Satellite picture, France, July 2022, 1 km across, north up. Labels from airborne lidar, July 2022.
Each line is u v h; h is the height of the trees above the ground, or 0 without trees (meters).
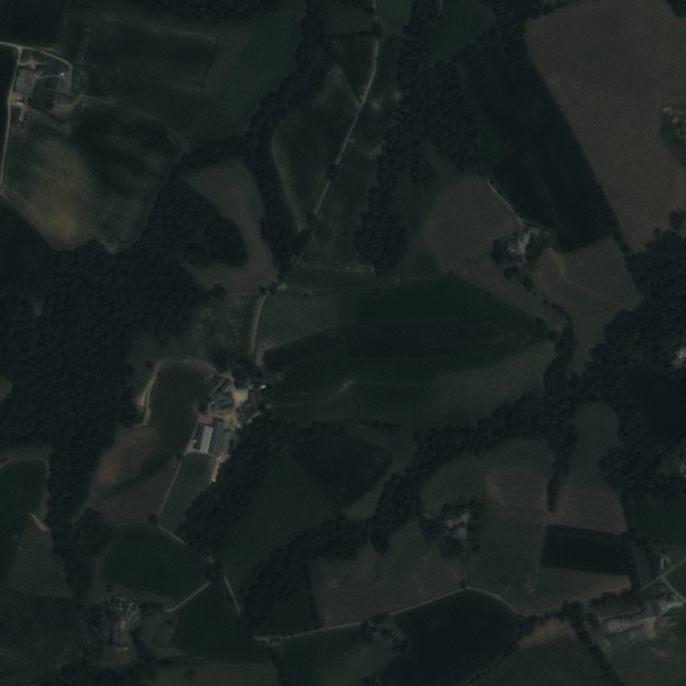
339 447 0
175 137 0
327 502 0
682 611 0
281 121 8
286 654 0
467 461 0
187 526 16
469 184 0
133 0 15
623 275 0
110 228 0
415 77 21
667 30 0
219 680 0
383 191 16
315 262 0
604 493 0
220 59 0
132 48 0
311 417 0
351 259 0
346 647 0
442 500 0
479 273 0
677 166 0
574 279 0
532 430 9
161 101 0
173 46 0
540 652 0
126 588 0
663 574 0
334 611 0
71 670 21
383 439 0
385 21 0
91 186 0
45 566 0
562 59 0
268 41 0
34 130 0
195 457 0
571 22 0
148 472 0
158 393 0
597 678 0
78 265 19
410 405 0
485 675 7
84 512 0
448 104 27
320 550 25
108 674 10
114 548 0
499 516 0
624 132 0
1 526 0
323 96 0
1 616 0
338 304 0
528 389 0
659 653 0
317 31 20
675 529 0
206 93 0
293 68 0
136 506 0
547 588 0
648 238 0
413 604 0
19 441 21
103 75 0
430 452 21
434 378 0
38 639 0
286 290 0
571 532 13
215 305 0
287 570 24
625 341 20
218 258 14
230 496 30
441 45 0
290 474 0
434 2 19
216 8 25
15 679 0
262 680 0
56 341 28
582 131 0
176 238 26
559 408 25
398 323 0
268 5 16
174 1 24
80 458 26
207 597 0
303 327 0
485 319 0
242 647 0
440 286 0
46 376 25
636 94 0
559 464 9
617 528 0
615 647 0
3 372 15
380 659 0
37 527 0
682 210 0
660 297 28
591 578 0
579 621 11
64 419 23
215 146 21
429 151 0
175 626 10
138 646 16
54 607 0
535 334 0
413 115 19
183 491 0
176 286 21
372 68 0
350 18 0
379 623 12
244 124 0
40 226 0
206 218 21
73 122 0
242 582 0
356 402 0
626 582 0
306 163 0
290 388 0
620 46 0
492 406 0
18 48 0
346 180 0
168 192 17
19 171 0
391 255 23
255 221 0
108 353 28
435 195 0
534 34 0
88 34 0
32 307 15
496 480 0
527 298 0
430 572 0
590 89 0
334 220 0
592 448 0
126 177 0
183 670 0
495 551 0
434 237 0
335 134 0
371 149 0
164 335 23
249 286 0
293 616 0
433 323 0
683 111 0
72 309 25
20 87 0
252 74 0
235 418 0
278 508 0
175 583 0
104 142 0
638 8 0
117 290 28
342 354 0
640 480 14
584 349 0
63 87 0
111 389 25
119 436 0
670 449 7
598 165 0
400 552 0
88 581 0
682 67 0
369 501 0
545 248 0
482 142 0
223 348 0
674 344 0
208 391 0
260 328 0
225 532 7
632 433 29
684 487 8
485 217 0
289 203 0
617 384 8
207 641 0
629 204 0
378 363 0
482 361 0
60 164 0
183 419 0
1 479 0
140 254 22
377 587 0
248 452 30
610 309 0
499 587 0
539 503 0
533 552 0
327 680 0
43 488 0
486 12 0
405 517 9
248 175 0
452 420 0
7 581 0
